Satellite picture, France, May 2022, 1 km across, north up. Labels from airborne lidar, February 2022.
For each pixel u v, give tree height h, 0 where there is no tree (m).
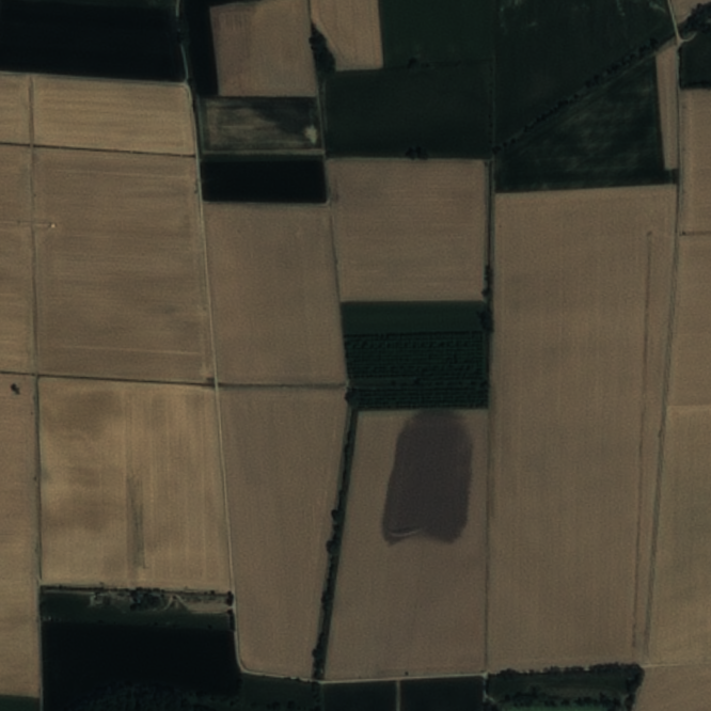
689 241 0
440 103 0
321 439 0
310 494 0
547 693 0
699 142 0
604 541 0
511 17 0
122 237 0
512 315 0
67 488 0
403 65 0
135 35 0
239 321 0
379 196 0
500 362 0
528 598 0
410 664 0
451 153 0
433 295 0
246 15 0
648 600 0
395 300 0
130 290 0
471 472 0
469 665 0
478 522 0
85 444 0
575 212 0
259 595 0
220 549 0
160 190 0
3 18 0
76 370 0
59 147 0
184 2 0
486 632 0
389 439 0
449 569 0
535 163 0
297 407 0
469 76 0
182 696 12
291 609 0
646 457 0
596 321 0
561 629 0
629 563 0
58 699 0
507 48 0
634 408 0
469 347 8
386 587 0
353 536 0
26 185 0
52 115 0
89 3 0
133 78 0
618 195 0
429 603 0
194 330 0
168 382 0
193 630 0
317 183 0
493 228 0
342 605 0
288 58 0
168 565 0
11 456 0
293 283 0
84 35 0
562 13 0
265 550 0
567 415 0
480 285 0
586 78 0
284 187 0
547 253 0
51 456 0
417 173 0
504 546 0
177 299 0
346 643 0
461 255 0
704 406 0
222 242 0
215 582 0
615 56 0
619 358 0
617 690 0
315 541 0
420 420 0
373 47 0
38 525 0
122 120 0
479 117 0
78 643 0
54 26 0
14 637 0
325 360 0
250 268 0
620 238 0
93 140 0
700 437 0
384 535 0
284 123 0
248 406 0
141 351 0
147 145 0
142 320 0
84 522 0
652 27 0
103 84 0
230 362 0
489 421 0
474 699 0
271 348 0
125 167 0
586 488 0
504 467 0
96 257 0
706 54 0
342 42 0
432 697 0
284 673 0
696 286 0
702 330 0
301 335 0
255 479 0
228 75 0
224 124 0
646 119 0
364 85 0
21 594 0
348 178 0
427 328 0
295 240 0
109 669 0
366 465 0
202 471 0
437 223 0
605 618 0
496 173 0
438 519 0
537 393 0
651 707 0
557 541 0
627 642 0
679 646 0
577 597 0
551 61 0
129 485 0
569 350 0
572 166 0
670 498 0
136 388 0
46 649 0
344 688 0
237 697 0
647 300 0
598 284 0
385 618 0
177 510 0
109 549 0
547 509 0
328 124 0
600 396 0
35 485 0
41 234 0
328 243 0
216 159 0
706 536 0
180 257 0
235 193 0
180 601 0
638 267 0
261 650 0
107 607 0
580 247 0
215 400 0
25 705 0
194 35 0
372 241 0
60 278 0
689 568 0
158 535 0
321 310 0
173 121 0
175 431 0
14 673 0
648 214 0
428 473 0
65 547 0
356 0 0
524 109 0
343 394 0
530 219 0
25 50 0
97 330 0
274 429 0
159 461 0
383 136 0
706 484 0
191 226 0
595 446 0
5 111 0
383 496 0
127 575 0
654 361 0
